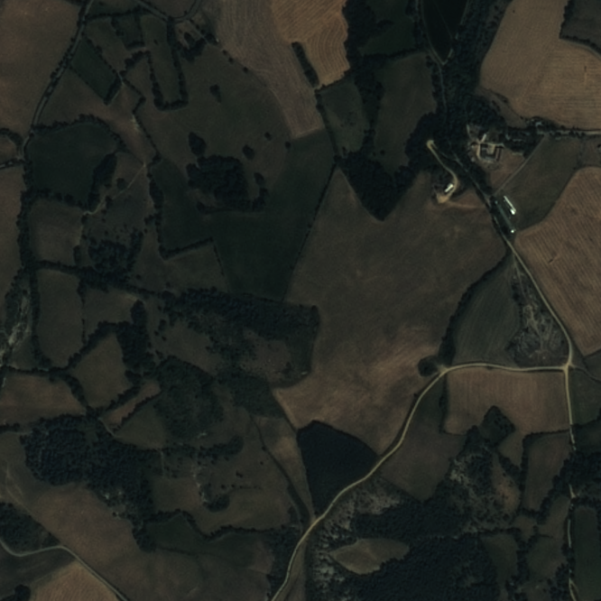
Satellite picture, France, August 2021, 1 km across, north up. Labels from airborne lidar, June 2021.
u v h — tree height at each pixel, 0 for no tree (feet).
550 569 0
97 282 34
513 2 0
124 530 0
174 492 0
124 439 0
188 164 0
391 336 0
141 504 60
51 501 0
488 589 39
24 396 0
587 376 0
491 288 0
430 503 35
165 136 0
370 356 0
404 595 38
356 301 0
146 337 35
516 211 0
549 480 0
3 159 0
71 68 26
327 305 0
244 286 0
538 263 0
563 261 0
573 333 0
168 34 27
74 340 0
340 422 0
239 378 33
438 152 30
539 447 0
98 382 0
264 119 0
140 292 35
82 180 0
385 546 0
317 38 0
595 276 0
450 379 0
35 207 0
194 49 40
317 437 48
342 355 0
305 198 0
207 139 0
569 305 0
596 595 0
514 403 0
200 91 0
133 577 0
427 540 39
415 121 0
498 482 0
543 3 0
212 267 0
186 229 0
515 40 0
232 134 0
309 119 0
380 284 0
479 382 0
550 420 0
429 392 0
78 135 0
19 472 0
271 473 0
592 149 0
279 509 0
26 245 37
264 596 0
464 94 21
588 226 0
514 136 27
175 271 0
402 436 0
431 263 0
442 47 0
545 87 0
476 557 37
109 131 54
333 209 0
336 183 0
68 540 0
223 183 49
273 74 0
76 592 0
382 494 0
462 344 0
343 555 0
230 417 0
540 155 0
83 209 44
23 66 0
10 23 0
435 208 0
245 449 0
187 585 0
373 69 61
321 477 39
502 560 0
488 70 0
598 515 25
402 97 0
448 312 0
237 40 0
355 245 0
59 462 36
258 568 0
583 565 0
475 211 0
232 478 0
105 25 0
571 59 0
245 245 0
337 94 0
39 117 0
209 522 0
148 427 0
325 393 0
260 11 0
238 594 0
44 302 0
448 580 32
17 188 0
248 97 0
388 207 64
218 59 0
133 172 0
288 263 0
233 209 40
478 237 0
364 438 0
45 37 0
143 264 0
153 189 46
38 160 0
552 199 0
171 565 0
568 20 25
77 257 30
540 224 0
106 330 40
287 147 28
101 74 0
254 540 0
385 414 0
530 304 0
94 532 0
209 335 26
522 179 0
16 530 20
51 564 0
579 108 0
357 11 62
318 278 0
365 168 66
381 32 42
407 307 0
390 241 0
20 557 0
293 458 0
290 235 0
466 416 0
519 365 0
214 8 0
